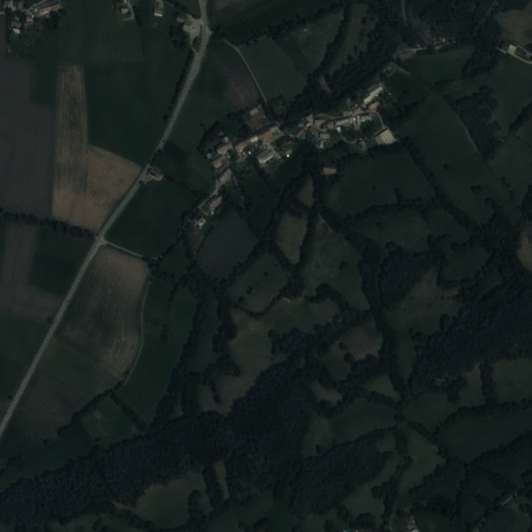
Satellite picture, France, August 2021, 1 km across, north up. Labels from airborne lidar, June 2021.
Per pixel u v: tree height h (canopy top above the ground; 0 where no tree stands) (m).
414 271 16
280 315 0
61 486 21
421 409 0
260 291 0
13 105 0
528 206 16
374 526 11
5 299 0
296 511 16
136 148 0
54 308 0
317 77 13
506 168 0
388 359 16
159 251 0
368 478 16
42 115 0
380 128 0
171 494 0
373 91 0
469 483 18
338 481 11
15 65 0
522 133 0
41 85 0
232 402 0
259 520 0
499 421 0
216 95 0
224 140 0
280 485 21
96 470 8
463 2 7
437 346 21
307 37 0
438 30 7
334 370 0
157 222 0
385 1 23
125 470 24
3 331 0
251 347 0
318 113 15
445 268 20
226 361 17
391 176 0
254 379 0
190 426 21
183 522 0
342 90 14
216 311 0
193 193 8
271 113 12
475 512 0
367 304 0
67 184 0
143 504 0
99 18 0
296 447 19
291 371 15
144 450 23
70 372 0
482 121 12
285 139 5
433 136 0
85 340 0
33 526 16
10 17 11
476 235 14
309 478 19
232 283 9
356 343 0
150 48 0
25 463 0
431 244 16
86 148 0
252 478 13
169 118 13
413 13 0
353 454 15
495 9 8
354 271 0
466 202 0
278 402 19
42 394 0
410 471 0
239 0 0
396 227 0
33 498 23
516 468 0
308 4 0
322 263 0
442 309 0
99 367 0
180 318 0
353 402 14
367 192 0
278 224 11
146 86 0
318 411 14
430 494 0
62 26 0
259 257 15
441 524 0
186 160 0
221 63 0
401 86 0
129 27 0
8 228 0
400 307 0
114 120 0
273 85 0
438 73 0
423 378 15
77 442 0
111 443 0
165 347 0
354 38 0
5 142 0
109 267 0
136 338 0
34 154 0
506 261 20
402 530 0
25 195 0
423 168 15
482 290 18
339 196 0
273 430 17
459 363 22
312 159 24
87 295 0
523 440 19
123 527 0
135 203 0
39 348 0
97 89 0
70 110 0
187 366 19
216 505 18
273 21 0
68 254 0
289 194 16
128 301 0
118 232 0
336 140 0
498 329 18
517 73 0
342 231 16
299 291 17
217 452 19
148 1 0
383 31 13
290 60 0
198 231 0
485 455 12
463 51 0
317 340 19
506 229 16
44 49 0
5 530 0
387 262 11
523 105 0
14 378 0
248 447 16
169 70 0
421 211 11
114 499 6
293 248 0
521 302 18
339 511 8
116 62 0
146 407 0
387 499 12
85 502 12
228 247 0
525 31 0
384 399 17
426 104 0
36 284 0
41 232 0
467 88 0
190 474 13
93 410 13
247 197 12
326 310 0
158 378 0
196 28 0
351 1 15
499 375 0
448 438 0
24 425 0
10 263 0
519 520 0
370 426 0
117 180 0
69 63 0
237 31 0
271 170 0
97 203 0
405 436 9
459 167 0
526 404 14
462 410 15
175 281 15
